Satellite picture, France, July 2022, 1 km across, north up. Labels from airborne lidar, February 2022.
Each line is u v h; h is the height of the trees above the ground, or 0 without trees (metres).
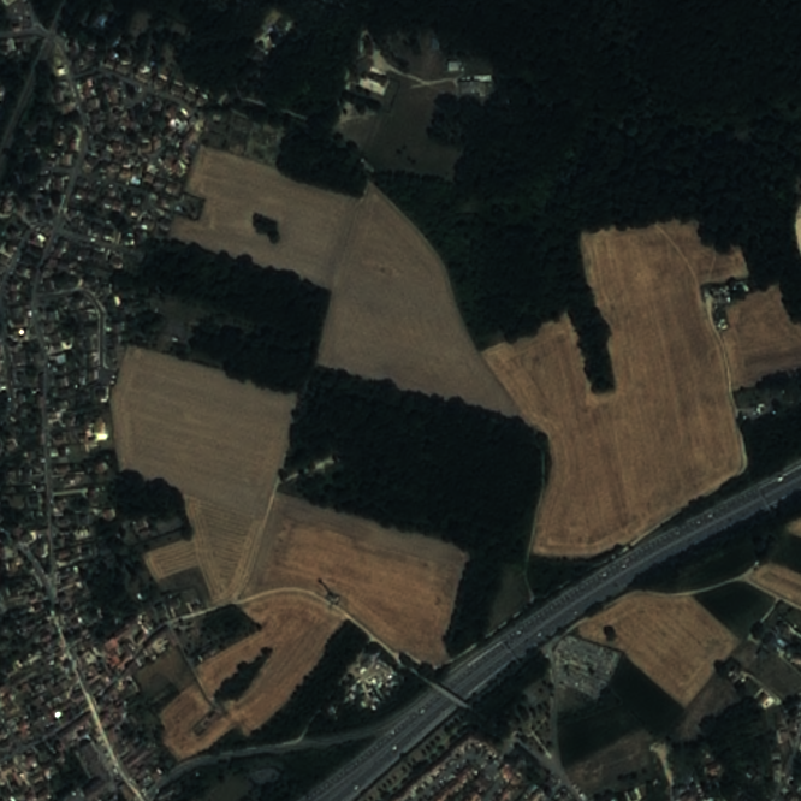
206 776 6
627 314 0
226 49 19
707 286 0
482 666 0
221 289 12
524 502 15
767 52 21
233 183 0
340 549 0
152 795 0
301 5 17
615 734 0
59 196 13
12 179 14
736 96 22
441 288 0
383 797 9
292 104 6
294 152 16
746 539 7
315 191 0
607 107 21
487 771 0
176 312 0
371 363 0
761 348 0
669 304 0
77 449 0
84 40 12
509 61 21
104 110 10
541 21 26
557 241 9
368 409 16
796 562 0
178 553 0
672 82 18
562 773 0
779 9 21
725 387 0
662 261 0
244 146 0
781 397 0
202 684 0
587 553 0
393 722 0
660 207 23
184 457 0
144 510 19
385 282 0
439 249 8
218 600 0
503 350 0
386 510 10
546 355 0
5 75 20
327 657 8
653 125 21
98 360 0
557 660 0
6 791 7
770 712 0
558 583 8
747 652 0
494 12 23
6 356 0
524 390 0
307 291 10
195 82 12
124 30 15
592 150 16
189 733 0
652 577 13
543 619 0
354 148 13
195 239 0
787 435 7
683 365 0
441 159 0
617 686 0
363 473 15
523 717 14
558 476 0
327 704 7
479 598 15
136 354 0
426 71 0
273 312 18
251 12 17
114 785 0
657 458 0
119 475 8
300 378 16
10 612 6
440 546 0
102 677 0
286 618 0
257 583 0
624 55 20
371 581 0
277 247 0
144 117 15
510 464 20
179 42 9
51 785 7
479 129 18
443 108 19
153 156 0
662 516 0
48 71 14
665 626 0
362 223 0
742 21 15
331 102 15
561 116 22
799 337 0
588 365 7
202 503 0
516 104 17
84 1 18
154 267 12
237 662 0
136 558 7
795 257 24
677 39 22
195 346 16
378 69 0
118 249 0
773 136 24
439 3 21
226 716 0
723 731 9
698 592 0
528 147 20
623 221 14
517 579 0
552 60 19
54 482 0
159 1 13
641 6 24
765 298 0
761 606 0
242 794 0
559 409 0
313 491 11
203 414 0
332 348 0
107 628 13
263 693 0
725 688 0
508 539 15
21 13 0
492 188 11
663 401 0
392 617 0
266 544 0
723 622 0
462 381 0
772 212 21
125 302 8
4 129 17
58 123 7
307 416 15
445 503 14
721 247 21
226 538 0
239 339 17
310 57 18
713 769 0
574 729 0
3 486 7
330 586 0
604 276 0
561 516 0
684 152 22
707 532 0
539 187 9
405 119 0
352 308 0
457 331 0
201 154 0
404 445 20
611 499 0
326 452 15
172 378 0
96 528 7
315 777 6
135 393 0
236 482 0
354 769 0
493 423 18
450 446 20
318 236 0
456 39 16
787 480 0
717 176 26
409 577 0
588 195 24
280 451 0
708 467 0
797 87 22
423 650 0
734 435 0
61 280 8
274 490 0
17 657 10
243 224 0
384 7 20
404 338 0
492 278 14
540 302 19
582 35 24
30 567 10
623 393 0
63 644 0
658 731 0
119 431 0
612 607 0
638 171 8
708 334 0
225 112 10
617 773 0
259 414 0
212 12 11
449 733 11
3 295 0
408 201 10
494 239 12
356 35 20
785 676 0
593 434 0
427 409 16
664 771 0
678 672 0
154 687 0
